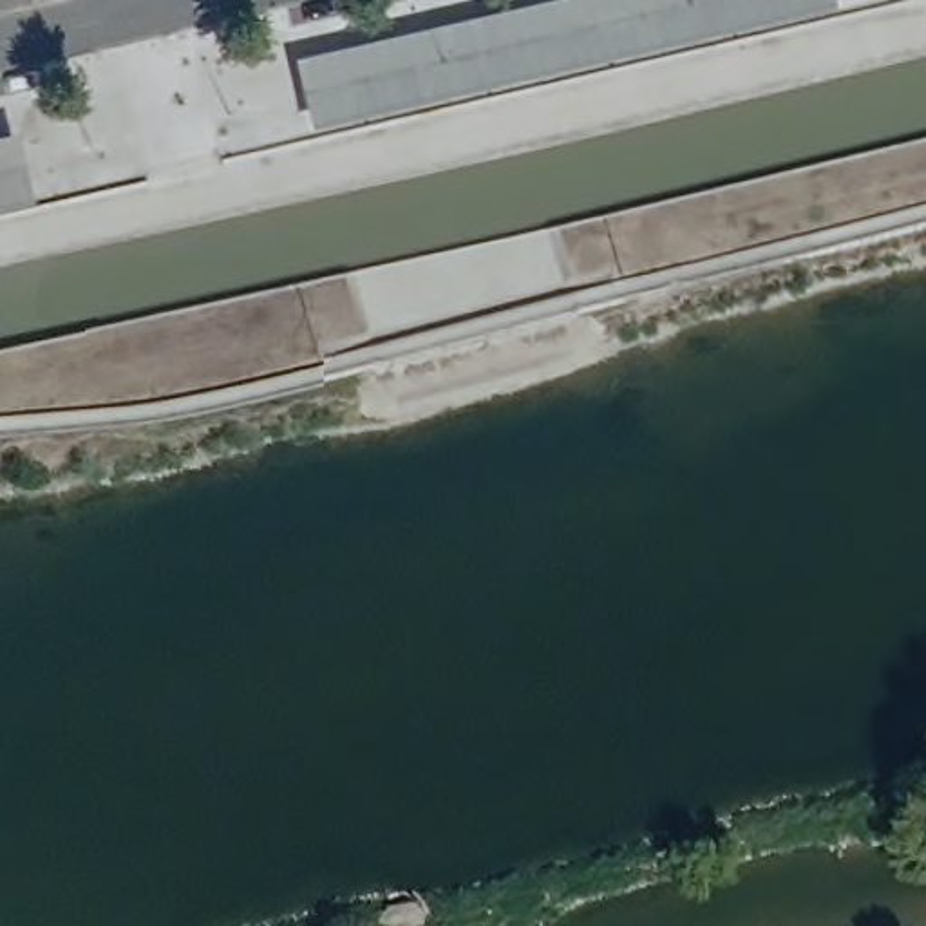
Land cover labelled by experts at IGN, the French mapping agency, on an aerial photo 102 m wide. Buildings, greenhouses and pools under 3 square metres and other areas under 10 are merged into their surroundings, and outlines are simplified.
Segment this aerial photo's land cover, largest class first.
<instances>
[{"label":"water","instance_id":"1","mask_svg":"<svg viewBox=\"0 0 926 926\"><path fill-rule=\"evenodd\" d=\"M926 137V54L521 156L449 166L405 181L333 192L271 210L47 253L0 268V351L33 340L83 333L94 326L210 304L224 297L260 293L326 275H347L362 268L398 264L412 257L557 228L582 217L619 213L705 188H723ZM622 351L597 365L391 430L326 438L307 445L282 441L250 456L213 463L159 481L87 488L36 499H0V926H260L271 919H286L293 912H311L318 901H329L340 915H351L358 908V897L373 890H412L423 897L467 890L474 883H496L506 875H543L557 865H590L597 857L629 850L644 839L655 850H691L698 839H720L723 832V817H742L745 807L770 803L781 796H796L799 803H828L868 792L875 799L883 792H893V778L915 763L908 738L926 727V268L828 289L774 311L731 318L705 322L687 333H676L673 322L658 326V333L637 336V344L619 340ZM550 926H926V883L897 879V868L886 850L857 846H807L792 854L760 857L742 865L738 879L716 886L709 897H687L680 883H666L582 904Z\"/></svg>","mask_w":926,"mask_h":926},{"label":"impervious surface","instance_id":"2","mask_svg":"<svg viewBox=\"0 0 926 926\"><path fill-rule=\"evenodd\" d=\"M550 0H391L387 29L354 33L344 18L351 11V0H0V137H7L11 130L22 141L29 181L36 192V206L0 213V268L47 253L271 210L333 192L405 181L449 166L521 156L926 54V0H836V18L825 22L760 33L720 47H702L673 58H655L611 72H593L550 87H532L427 116H405L318 137L311 112L297 109L286 65L289 58L304 61L315 54L427 33L456 22H474L503 11H521ZM257 14L271 29L268 58L253 65L228 61L221 54V43ZM72 76L87 87V116H47L36 101V90L69 83ZM926 232V206L846 228H828L774 246H756L720 260H702L615 282L604 289L423 333L358 354L326 358L322 369L250 387L134 409L0 420V430H65L127 420L159 423L174 416L293 394L347 376H358L362 412L380 416L391 430L597 365L622 351L619 340L637 344V336L658 333V326L651 311H666V300L676 293L723 289L731 279H745L756 271L789 268L846 250H865L897 235ZM564 242L557 228L412 257L398 264L362 268L347 275L369 329L387 333L557 286V250ZM423 919H427V904H423V901H416V904H402V908H391V912H383V922H387V926H423Z\"/></svg>","mask_w":926,"mask_h":926},{"label":"herbaceous vegetation","instance_id":"3","mask_svg":"<svg viewBox=\"0 0 926 926\"><path fill-rule=\"evenodd\" d=\"M926 206V137L723 188H705L619 213L582 217L557 228L564 242L557 250V286L387 333L369 329L347 275H326L260 293L224 297L210 304L94 326L83 333L33 340L0 351V420L134 409L250 387L322 369L326 358L358 354L423 333L604 289L615 282L702 260H720L756 246H774L828 228H846ZM297 402L344 416V423L322 427L326 438L391 430L380 416L362 412L358 376H347L293 394L174 416L159 423L127 420L65 430H0V459L14 449L43 467H61L72 449H83V456H94L109 438L174 449L203 438L221 423H239L242 430L271 427L279 423V416H289Z\"/></svg>","mask_w":926,"mask_h":926},{"label":"building","instance_id":"4","mask_svg":"<svg viewBox=\"0 0 926 926\"><path fill-rule=\"evenodd\" d=\"M836 0H550L521 11H503L474 22H456L427 33L315 54L304 61L289 58L286 65L297 109L311 112L318 137L405 116H427L532 87H550L593 72H611L655 58H673L702 47H720L760 33L825 22L836 18ZM36 206V192L29 181L22 141L11 130L7 137H0V213Z\"/></svg>","mask_w":926,"mask_h":926},{"label":"brushwood","instance_id":"5","mask_svg":"<svg viewBox=\"0 0 926 926\"><path fill-rule=\"evenodd\" d=\"M901 246H919L926 253V232L897 235L865 250H846L789 268L756 271L745 279H731L723 289L676 293L666 300V311H651L658 326L673 322L676 333H687L705 322L731 318V304L803 289L814 279L861 275L875 264H897ZM213 463L210 452H203V438L174 449L109 438L94 456H83L76 477L87 488L159 481ZM875 799L868 792L828 803H799L796 796H781L770 803L745 807L742 817H723V832L738 828L760 857L792 854L807 846H857L868 836H875ZM669 857L662 850H655L644 839L629 850L597 857L590 865H557L543 875H506L496 883H474L467 890L423 897V904H427V919H423V926H550L582 904L666 883ZM260 926H358L351 915H340L329 901H318L311 912H293L286 919H271Z\"/></svg>","mask_w":926,"mask_h":926},{"label":"deciduous trees","instance_id":"6","mask_svg":"<svg viewBox=\"0 0 926 926\"><path fill-rule=\"evenodd\" d=\"M391 0H351V11L344 18L354 33L387 29ZM271 29L257 14L221 43V54L228 61L253 65L268 58ZM36 101L47 116H87V87L72 76L69 83L36 90ZM344 423V416L297 402L289 416H279V423L271 427L242 430L239 423H221L203 438V452H210L213 463L250 456L282 441L307 445L326 438L322 427ZM83 456V449H72L61 467H43L14 449L0 459V499H36L87 488L76 477ZM915 763L893 778V792H883L875 799V836H868L857 846L886 850L897 868V879L926 883V727L908 738ZM669 857L666 883H680L687 897H709L716 886L738 879L742 865L760 857L738 828L723 832L720 839H698L691 850H662Z\"/></svg>","mask_w":926,"mask_h":926},{"label":"bare soil","instance_id":"7","mask_svg":"<svg viewBox=\"0 0 926 926\"><path fill-rule=\"evenodd\" d=\"M926 268V253L919 246H901L897 264H875L861 275L814 279L803 289L731 304V318L774 311L828 289ZM416 901H423V897L412 890H373L358 897V908L351 915L358 926H387V922H383V912H391V908H402V904H416Z\"/></svg>","mask_w":926,"mask_h":926}]
</instances>
